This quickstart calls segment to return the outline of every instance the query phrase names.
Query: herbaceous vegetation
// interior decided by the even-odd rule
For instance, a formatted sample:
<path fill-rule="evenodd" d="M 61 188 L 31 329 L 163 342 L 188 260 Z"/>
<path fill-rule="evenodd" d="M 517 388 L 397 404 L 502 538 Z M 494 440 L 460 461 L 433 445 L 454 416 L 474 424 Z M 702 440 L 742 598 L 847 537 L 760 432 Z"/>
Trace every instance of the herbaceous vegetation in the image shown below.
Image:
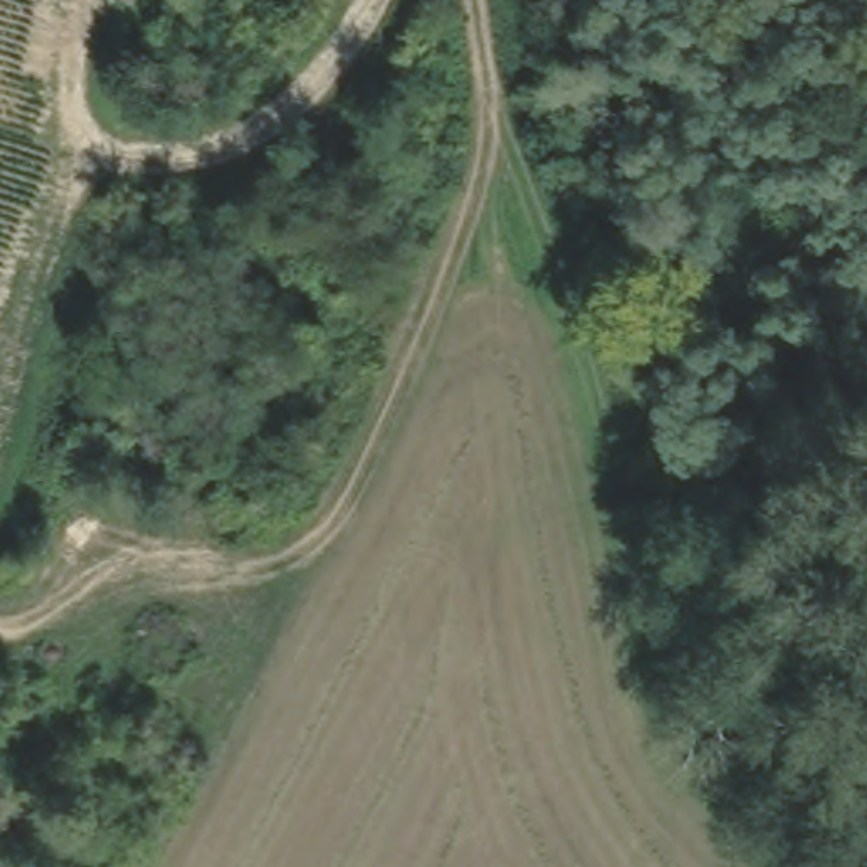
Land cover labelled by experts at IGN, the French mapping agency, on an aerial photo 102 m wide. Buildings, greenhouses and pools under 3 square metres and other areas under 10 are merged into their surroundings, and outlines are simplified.
<path fill-rule="evenodd" d="M 115 555 L 119 545 L 142 545 L 146 535 L 135 528 L 139 501 L 125 494 L 125 474 L 112 478 L 108 484 L 85 484 L 71 488 L 75 494 L 44 515 L 51 538 L 41 545 L 37 555 L 24 562 L 0 562 L 0 616 L 14 616 L 34 606 L 71 576 L 81 576 L 88 566 Z"/>
<path fill-rule="evenodd" d="M 24 383 L 30 356 L 27 345 L 20 345 L 20 339 L 34 301 L 37 278 L 54 278 L 64 244 L 51 240 L 41 261 L 17 264 L 10 298 L 3 301 L 0 315 L 0 444 L 10 430 L 17 389 Z"/>
<path fill-rule="evenodd" d="M 10 657 L 27 657 L 37 664 L 64 660 L 75 674 L 85 664 L 98 664 L 105 681 L 115 681 L 119 671 L 132 671 L 152 691 L 169 691 L 183 704 L 190 728 L 203 735 L 210 755 L 230 735 L 237 715 L 244 711 L 244 698 L 261 684 L 268 657 L 278 647 L 278 637 L 284 633 L 291 613 L 301 606 L 305 589 L 312 586 L 301 569 L 278 576 L 271 583 L 234 586 L 217 593 L 179 593 L 139 606 L 115 599 L 102 586 L 85 603 L 68 610 L 58 623 L 20 640 L 0 640 L 0 677 L 14 677 Z"/>

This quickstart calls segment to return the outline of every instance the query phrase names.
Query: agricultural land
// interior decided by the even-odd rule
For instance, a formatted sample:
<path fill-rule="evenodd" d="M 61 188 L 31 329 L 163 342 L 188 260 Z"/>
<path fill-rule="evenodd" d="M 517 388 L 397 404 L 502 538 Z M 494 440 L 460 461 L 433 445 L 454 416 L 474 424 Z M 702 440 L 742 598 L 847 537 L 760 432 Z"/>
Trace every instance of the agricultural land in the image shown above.
<path fill-rule="evenodd" d="M 379 383 L 373 406 L 366 413 L 366 437 L 329 478 L 318 501 L 318 515 L 335 501 L 342 488 L 352 491 L 356 511 L 349 525 L 301 569 L 312 586 L 305 589 L 301 606 L 291 613 L 284 633 L 278 637 L 278 647 L 268 657 L 261 684 L 244 698 L 244 711 L 237 715 L 230 735 L 210 755 L 210 772 L 203 779 L 200 796 L 193 799 L 193 820 L 186 826 L 173 826 L 163 833 L 163 853 L 169 857 L 166 867 L 718 867 L 721 857 L 715 853 L 715 843 L 708 837 L 708 806 L 698 796 L 691 796 L 681 809 L 671 809 L 671 799 L 654 786 L 654 776 L 637 762 L 643 748 L 643 708 L 633 694 L 620 691 L 616 681 L 623 660 L 616 650 L 623 643 L 603 633 L 603 627 L 589 616 L 599 599 L 596 576 L 606 566 L 610 538 L 610 515 L 599 511 L 593 501 L 596 434 L 599 420 L 613 403 L 633 400 L 637 379 L 620 356 L 606 362 L 603 356 L 579 352 L 559 356 L 549 325 L 562 325 L 559 301 L 583 288 L 589 268 L 599 257 L 599 200 L 583 193 L 576 183 L 566 183 L 562 190 L 555 190 L 552 203 L 538 190 L 525 163 L 522 142 L 508 122 L 501 129 L 494 183 L 478 179 L 467 169 L 450 220 L 434 240 L 434 251 L 420 261 L 420 278 L 413 281 L 413 295 L 403 308 L 403 318 L 386 339 L 386 379 Z"/>

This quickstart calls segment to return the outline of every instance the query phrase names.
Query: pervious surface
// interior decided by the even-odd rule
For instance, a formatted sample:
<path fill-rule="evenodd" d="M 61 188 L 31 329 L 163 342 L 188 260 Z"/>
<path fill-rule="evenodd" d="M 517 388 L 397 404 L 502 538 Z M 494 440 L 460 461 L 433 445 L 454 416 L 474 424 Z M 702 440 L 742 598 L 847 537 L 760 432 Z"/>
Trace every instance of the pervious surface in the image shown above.
<path fill-rule="evenodd" d="M 494 183 L 501 129 L 508 122 L 488 0 L 461 0 L 467 17 L 467 58 L 474 81 L 474 149 L 467 169 L 478 179 Z"/>
<path fill-rule="evenodd" d="M 322 102 L 332 91 L 339 75 L 339 44 L 352 30 L 369 37 L 383 24 L 393 0 L 352 0 L 342 24 L 332 30 L 329 47 L 315 54 L 315 61 L 295 81 L 271 78 L 261 85 L 254 105 L 240 115 L 240 129 L 213 125 L 203 112 L 193 112 L 190 135 L 183 142 L 129 142 L 98 129 L 85 95 L 85 44 L 91 17 L 102 7 L 102 0 L 37 0 L 24 51 L 24 71 L 34 78 L 58 75 L 61 142 L 71 149 L 91 149 L 98 149 L 102 156 L 119 156 L 119 169 L 132 173 L 146 156 L 166 159 L 173 166 L 196 166 L 203 152 L 220 149 L 224 142 L 247 149 L 247 139 L 254 135 L 281 135 L 295 115 L 301 115 L 312 102 Z"/>
<path fill-rule="evenodd" d="M 20 640 L 58 623 L 68 610 L 85 603 L 102 586 L 115 599 L 139 606 L 179 593 L 217 593 L 234 586 L 271 583 L 278 576 L 301 569 L 349 525 L 356 511 L 352 491 L 342 488 L 335 501 L 318 515 L 318 522 L 291 545 L 247 559 L 230 549 L 166 545 L 166 538 L 146 535 L 142 545 L 119 545 L 115 555 L 88 566 L 81 576 L 71 576 L 34 606 L 14 616 L 0 616 L 0 640 Z"/>

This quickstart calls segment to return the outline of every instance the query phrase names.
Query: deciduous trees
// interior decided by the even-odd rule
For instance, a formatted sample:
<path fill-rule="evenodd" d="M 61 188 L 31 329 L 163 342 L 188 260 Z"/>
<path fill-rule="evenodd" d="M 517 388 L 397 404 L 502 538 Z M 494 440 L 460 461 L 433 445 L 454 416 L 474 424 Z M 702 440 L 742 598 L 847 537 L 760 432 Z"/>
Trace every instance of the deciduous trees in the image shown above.
<path fill-rule="evenodd" d="M 583 193 L 599 200 L 599 257 L 589 268 L 583 288 L 559 301 L 562 325 L 549 325 L 559 356 L 579 352 L 603 356 L 606 362 L 620 356 L 637 379 L 633 400 L 613 403 L 599 420 L 596 434 L 593 501 L 599 511 L 610 515 L 610 538 L 606 566 L 596 576 L 599 599 L 589 616 L 603 627 L 603 633 L 623 643 L 616 650 L 623 660 L 616 681 L 620 691 L 633 694 L 643 708 L 643 748 L 637 762 L 654 776 L 654 786 L 671 799 L 671 809 L 681 809 L 691 796 L 698 796 L 708 806 L 708 837 L 715 843 L 715 853 L 721 857 L 718 867 L 867 867 L 867 0 L 488 0 L 508 122 L 522 142 L 525 163 L 538 190 L 552 203 L 555 190 L 562 190 L 566 183 L 576 183 Z"/>
<path fill-rule="evenodd" d="M 61 332 L 61 349 L 51 352 L 51 362 L 68 356 L 78 373 L 78 383 L 61 379 L 58 420 L 51 427 L 47 444 L 54 447 L 51 454 L 71 464 L 85 484 L 108 484 L 112 478 L 125 474 L 125 494 L 139 501 L 135 528 L 146 535 L 166 538 L 166 545 L 230 549 L 247 559 L 291 545 L 318 522 L 318 515 L 318 501 L 329 478 L 366 437 L 366 413 L 373 406 L 379 383 L 386 379 L 386 339 L 403 318 L 403 308 L 413 295 L 413 281 L 420 278 L 420 261 L 434 251 L 434 240 L 450 220 L 467 169 L 474 149 L 474 81 L 467 58 L 467 17 L 461 0 L 393 0 L 383 24 L 369 37 L 352 30 L 339 44 L 339 75 L 332 91 L 322 102 L 312 102 L 301 115 L 295 115 L 281 135 L 254 135 L 247 139 L 247 149 L 224 142 L 220 149 L 203 152 L 196 166 L 173 166 L 166 159 L 146 156 L 132 173 L 119 169 L 119 156 L 102 156 L 98 149 L 91 149 L 91 169 L 81 173 L 85 196 L 71 217 L 64 244 L 54 278 L 37 278 L 34 301 L 51 298 L 54 322 Z"/>
<path fill-rule="evenodd" d="M 85 44 L 85 95 L 98 129 L 129 142 L 183 142 L 190 135 L 193 112 L 203 112 L 213 125 L 240 129 L 240 115 L 254 105 L 261 85 L 271 78 L 295 81 L 315 61 L 315 54 L 329 47 L 332 30 L 342 24 L 352 0 L 102 0 L 102 7 L 91 17 Z"/>

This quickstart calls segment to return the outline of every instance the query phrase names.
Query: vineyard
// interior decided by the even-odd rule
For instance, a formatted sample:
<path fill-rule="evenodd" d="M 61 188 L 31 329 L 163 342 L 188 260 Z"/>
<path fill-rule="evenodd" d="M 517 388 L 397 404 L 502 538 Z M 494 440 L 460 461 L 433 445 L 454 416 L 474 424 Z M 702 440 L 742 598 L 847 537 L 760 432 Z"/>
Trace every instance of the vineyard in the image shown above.
<path fill-rule="evenodd" d="M 85 196 L 81 173 L 91 169 L 91 149 L 71 149 L 61 142 L 58 75 L 34 78 L 24 71 L 24 51 L 37 0 L 0 0 L 0 315 L 3 301 L 10 298 L 17 264 L 41 261 L 51 240 L 64 244 L 71 217 Z"/>

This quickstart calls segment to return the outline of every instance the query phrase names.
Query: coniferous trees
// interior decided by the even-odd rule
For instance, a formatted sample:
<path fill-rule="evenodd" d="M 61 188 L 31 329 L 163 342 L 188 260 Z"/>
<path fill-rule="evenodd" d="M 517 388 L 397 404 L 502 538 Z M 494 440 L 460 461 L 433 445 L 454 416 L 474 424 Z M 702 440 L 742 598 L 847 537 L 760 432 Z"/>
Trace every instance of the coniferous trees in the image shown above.
<path fill-rule="evenodd" d="M 210 772 L 210 755 L 203 735 L 190 728 L 183 704 L 169 691 L 152 691 L 132 671 L 119 671 L 115 681 L 105 681 L 98 664 L 85 664 L 75 674 L 64 660 L 37 664 L 27 657 L 10 657 L 14 677 L 0 677 L 0 867 L 166 867 L 169 857 L 163 853 L 163 833 L 173 826 L 186 826 L 193 820 L 193 799 L 200 796 L 203 779 Z"/>

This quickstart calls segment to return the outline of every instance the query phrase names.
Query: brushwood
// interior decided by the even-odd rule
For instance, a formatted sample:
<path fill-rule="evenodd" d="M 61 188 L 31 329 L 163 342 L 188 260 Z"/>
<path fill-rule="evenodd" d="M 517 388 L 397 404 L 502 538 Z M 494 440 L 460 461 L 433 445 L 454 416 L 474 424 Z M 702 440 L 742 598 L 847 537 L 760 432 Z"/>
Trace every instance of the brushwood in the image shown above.
<path fill-rule="evenodd" d="M 30 356 L 24 383 L 17 389 L 10 430 L 0 444 L 0 562 L 24 562 L 37 555 L 41 545 L 51 538 L 44 515 L 75 494 L 71 488 L 85 484 L 71 464 L 51 454 L 54 447 L 47 444 L 51 427 L 58 420 L 61 379 L 78 383 L 78 373 L 68 356 L 51 362 L 51 352 L 61 349 L 61 332 L 54 322 L 51 298 L 34 301 L 20 339 L 20 345 L 27 345 Z"/>

